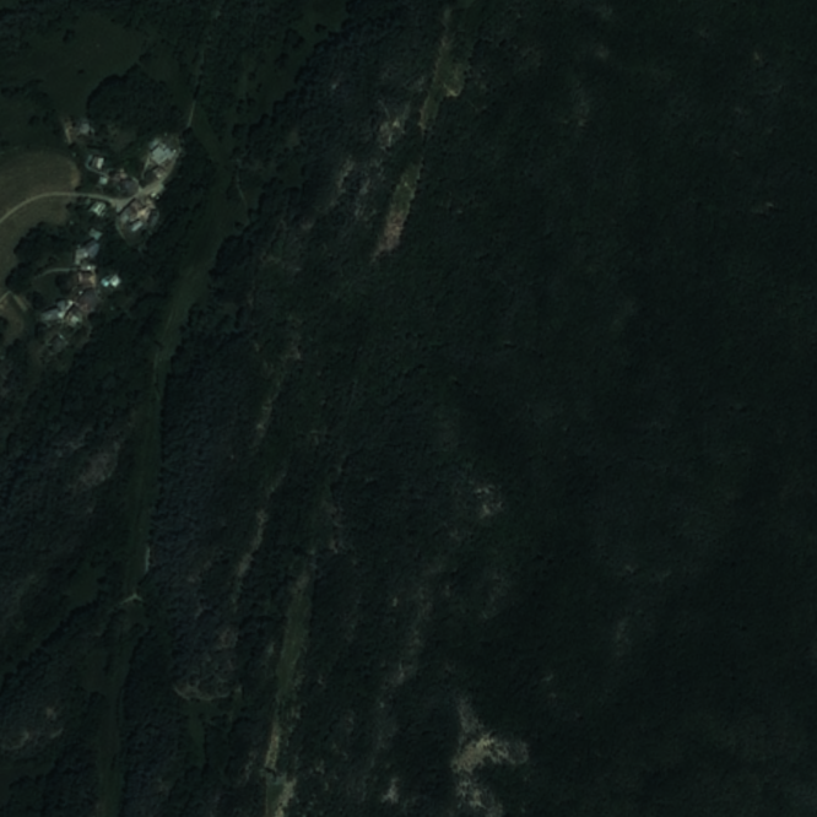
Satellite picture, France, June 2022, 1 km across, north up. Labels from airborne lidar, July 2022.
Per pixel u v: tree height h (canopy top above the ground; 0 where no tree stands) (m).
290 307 14
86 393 24
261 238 18
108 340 20
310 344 11
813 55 16
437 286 14
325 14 0
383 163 10
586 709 18
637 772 13
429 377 15
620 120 14
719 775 12
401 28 22
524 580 19
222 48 16
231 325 9
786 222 19
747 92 16
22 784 14
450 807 12
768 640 18
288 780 9
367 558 19
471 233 14
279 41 18
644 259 20
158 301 22
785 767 13
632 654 14
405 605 11
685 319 20
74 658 9
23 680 12
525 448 24
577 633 16
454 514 15
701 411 26
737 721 15
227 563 19
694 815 12
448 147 17
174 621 10
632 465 23
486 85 11
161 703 11
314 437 8
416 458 21
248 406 13
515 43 23
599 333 15
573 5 8
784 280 22
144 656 20
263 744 11
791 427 18
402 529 18
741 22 14
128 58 0
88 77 0
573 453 20
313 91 20
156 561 11
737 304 19
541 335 19
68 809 25
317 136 23
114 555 16
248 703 12
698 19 19
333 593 18
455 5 19
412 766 21
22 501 18
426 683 15
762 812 13
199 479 13
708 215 23
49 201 0
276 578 18
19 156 0
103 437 10
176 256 25
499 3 12
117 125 6
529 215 18
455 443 10
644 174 14
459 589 16
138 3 18
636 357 24
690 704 15
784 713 13
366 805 18
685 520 22
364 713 13
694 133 16
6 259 0
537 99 22
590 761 20
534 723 18
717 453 18
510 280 18
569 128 14
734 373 21
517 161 17
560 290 18
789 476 18
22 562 16
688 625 19
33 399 14
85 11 19
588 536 17
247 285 7
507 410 21
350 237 14
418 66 12
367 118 11
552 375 18
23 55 9
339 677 21
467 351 20
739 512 21
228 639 6
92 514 12
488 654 25
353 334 15
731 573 28
